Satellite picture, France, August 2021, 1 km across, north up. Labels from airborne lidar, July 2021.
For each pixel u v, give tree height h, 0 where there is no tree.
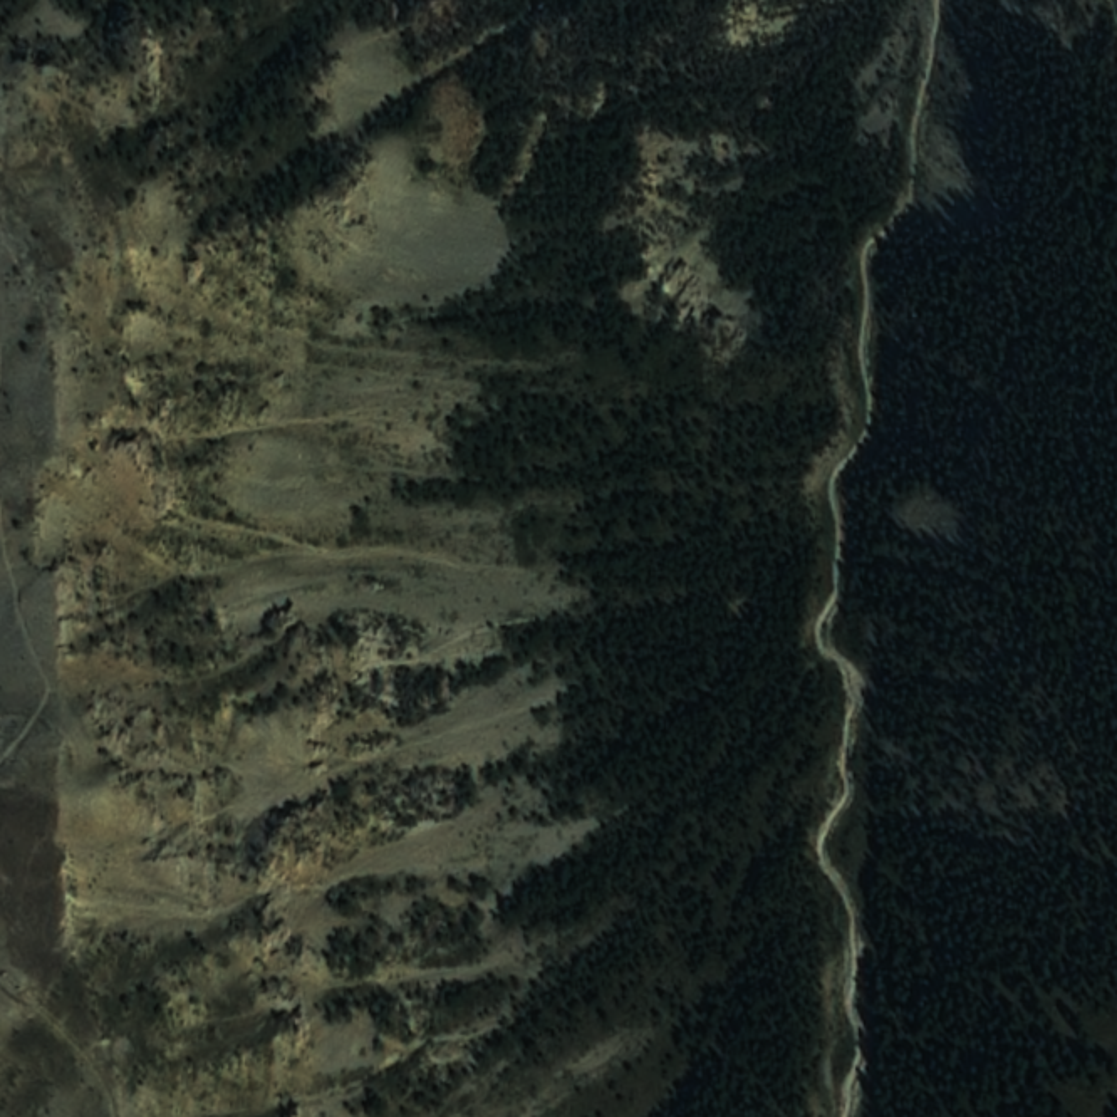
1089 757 11
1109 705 11
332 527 0
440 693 8
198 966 0
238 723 0
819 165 17
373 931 6
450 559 0
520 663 9
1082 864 24
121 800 0
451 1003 20
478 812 0
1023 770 6
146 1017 0
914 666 17
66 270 0
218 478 11
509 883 0
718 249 7
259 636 0
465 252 0
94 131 0
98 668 0
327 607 0
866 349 0
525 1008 11
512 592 0
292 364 0
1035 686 10
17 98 0
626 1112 0
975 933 21
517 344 11
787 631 19
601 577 12
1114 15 8
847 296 9
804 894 9
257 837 0
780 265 17
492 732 0
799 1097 9
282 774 0
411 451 0
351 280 0
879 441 7
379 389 0
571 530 8
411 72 0
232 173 0
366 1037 0
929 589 14
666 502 13
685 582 17
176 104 0
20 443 0
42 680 0
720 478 17
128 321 0
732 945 8
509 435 15
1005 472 16
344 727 0
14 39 0
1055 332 19
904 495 19
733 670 16
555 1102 0
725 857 7
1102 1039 0
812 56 9
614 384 0
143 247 0
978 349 16
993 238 15
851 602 8
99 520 0
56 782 0
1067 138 17
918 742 16
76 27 0
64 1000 0
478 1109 0
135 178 0
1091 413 13
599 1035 0
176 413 0
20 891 0
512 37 11
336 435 0
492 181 17
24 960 0
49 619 0
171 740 0
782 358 17
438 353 0
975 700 14
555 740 0
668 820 9
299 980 0
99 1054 0
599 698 13
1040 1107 20
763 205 13
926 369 19
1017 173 20
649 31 18
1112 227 20
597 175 15
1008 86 12
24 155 0
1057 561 19
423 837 0
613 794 15
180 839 0
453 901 0
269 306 0
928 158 0
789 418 20
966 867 16
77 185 0
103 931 0
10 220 0
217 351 0
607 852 9
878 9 17
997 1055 24
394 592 0
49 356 0
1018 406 11
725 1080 20
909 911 22
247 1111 0
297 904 0
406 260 0
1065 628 20
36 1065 0
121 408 0
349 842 0
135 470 0
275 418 0
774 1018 24
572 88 11
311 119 13
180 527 0
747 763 19
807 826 6
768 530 16
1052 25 0
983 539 6
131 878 0
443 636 0
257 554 0
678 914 11
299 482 0
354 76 0
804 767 9
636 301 0
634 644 13
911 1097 19
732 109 18
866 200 12
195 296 0
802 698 8
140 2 14
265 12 0
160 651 8
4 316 0
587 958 10
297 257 0
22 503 0
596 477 8
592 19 7
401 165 0
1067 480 16
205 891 0
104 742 0
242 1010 0
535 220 11
